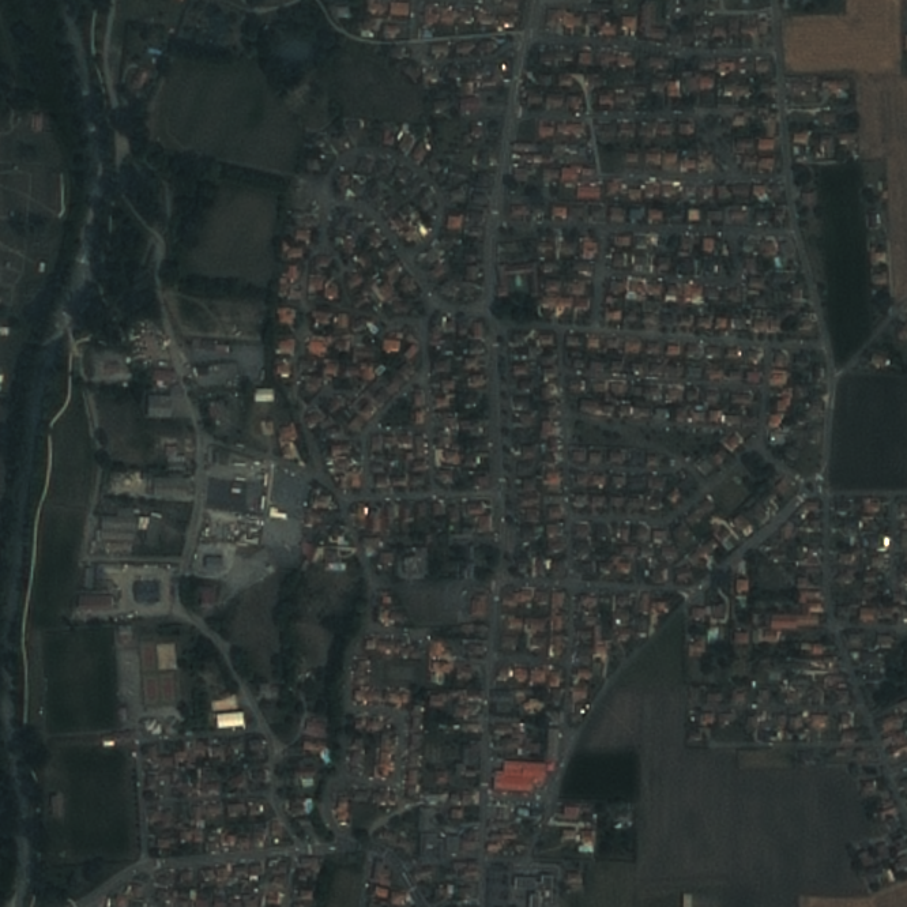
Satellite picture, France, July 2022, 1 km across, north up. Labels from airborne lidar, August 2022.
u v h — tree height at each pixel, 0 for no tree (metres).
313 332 7
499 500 0
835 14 0
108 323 34
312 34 8
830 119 0
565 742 0
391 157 0
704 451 8
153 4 0
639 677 0
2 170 0
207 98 0
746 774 0
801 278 5
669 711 0
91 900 0
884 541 0
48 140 0
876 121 0
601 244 0
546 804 0
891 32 0
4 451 17
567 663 0
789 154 0
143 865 0
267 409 0
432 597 0
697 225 6
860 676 9
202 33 10
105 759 0
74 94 24
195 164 26
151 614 0
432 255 0
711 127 7
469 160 0
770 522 0
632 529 7
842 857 0
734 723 5
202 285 18
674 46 0
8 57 0
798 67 0
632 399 6
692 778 0
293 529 0
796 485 0
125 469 10
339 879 0
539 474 6
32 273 0
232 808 0
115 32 0
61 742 0
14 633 12
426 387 0
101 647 0
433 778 0
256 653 0
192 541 0
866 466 0
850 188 0
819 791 0
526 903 0
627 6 0
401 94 0
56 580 0
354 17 8
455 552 9
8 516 16
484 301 0
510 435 8
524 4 0
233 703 0
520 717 7
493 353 0
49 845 23
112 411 0
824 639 9
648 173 0
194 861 0
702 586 0
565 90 6
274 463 0
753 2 0
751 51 0
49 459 0
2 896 22
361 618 11
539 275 8
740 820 0
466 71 7
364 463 0
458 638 7
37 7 25
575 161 0
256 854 0
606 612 6
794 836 0
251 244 0
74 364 0
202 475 0
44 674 0
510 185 16
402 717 0
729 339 0
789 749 0
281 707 10
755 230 0
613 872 0
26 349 14
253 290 7
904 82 0
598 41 0
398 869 0
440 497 0
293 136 0
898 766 0
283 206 9
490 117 0
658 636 0
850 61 0
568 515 0
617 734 0
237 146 0
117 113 14
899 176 0
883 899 0
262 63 14
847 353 0
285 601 13
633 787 0
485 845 0
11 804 34
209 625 7
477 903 0
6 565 16
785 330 7
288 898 0
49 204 0
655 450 0
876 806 9
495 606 0
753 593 6
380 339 6
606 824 9
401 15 0
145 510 0
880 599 7
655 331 0
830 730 0
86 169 9
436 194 0
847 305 0
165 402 0
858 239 0
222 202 0
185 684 0
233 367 0
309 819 5
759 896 0
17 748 19
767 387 0
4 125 0
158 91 0
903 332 0
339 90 0
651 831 0
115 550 0
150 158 22
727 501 0
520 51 0
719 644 16
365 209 0
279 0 0
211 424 15
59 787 0
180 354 0
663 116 0
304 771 0
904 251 0
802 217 6
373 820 0
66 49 25
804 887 0
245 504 0
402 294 6
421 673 0
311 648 0
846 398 0
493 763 0
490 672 0
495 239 0
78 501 0
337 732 11
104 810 0
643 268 0
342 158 0
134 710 0
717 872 0
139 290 27
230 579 0
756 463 12
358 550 0
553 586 0
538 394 5
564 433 0
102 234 27
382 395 0
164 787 0
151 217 32
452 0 0
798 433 0
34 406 0
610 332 0
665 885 0
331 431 0
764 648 8
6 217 0
